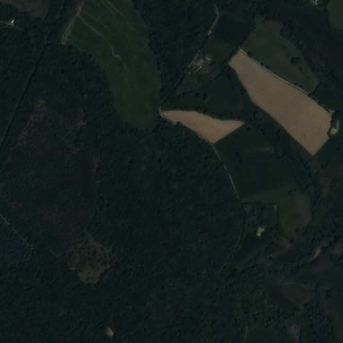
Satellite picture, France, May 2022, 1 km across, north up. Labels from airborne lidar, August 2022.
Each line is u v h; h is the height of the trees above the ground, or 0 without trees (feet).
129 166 52
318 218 0
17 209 27
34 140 31
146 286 60
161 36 87
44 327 58
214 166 63
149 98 0
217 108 0
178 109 30
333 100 0
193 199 73
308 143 0
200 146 62
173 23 60
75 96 60
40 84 64
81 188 39
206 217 79
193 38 67
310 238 34
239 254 0
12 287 59
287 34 38
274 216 0
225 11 21
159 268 57
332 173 0
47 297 64
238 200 50
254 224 23
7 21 49
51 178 26
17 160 34
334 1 0
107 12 0
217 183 72
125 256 49
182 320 62
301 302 0
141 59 0
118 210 59
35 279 54
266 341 0
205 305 76
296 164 0
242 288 70
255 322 74
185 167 67
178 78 65
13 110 54
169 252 48
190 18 75
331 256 36
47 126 31
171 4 68
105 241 54
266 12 52
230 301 72
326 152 0
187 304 64
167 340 57
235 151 0
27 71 67
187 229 61
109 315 60
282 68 0
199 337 65
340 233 20
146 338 59
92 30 0
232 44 48
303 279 0
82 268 26
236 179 0
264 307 87
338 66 0
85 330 58
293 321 60
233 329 70
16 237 42
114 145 66
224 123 0
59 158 33
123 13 0
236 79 34
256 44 0
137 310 60
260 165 0
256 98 0
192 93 32
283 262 0
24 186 28
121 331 61
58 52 67
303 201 0
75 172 35
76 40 0
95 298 62
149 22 69
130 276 64
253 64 0
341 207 0
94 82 63
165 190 71
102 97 59
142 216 63
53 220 35
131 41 0
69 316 47
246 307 66
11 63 55
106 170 56
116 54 0
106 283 58
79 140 57
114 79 0
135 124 0
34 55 77
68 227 34
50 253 46
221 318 68
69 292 53
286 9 0
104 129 64
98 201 32
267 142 0
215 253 65
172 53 82
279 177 0
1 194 33
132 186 57
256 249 0
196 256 54
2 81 50
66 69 60
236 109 0
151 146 69
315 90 24
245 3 64
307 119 0
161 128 62
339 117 46
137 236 53
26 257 38
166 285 51
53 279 49
